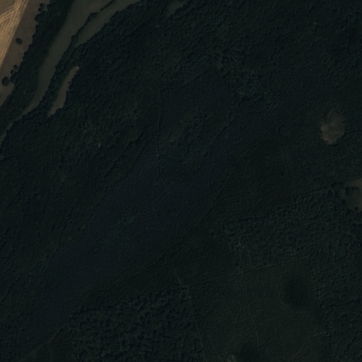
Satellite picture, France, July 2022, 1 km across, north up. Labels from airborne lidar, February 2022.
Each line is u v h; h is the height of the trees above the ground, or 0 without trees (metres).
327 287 13
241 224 19
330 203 22
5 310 19
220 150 12
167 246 9
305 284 6
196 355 12
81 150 13
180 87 9
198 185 14
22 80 16
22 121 8
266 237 15
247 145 8
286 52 21
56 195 18
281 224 15
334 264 13
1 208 21
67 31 0
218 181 11
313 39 20
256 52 24
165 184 12
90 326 18
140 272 7
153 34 22
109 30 14
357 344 19
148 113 18
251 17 14
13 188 21
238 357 11
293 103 11
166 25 19
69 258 15
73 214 19
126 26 17
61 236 20
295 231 14
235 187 5
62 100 0
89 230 14
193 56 21
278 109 11
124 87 22
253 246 15
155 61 14
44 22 10
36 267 15
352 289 20
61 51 0
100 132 14
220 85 14
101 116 18
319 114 7
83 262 15
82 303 8
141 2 8
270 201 6
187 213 14
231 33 22
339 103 9
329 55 17
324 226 14
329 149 10
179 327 20
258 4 12
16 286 23
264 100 20
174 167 13
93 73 17
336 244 15
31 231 21
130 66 20
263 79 21
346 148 6
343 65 18
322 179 6
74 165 9
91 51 17
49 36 13
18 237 17
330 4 23
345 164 6
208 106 15
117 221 16
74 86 14
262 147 7
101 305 7
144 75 16
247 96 32
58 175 18
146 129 17
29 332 12
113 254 15
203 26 7
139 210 12
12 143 21
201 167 10
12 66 0
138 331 25
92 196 17
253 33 20
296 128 10
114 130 8
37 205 24
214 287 7
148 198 11
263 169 6
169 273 6
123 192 14
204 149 13
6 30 0
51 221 21
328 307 17
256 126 12
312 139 7
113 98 17
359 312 16
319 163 6
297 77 12
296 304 11
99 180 17
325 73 12
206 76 15
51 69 0
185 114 12
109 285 7
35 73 9
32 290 17
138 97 16
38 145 20
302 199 8
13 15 0
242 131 14
